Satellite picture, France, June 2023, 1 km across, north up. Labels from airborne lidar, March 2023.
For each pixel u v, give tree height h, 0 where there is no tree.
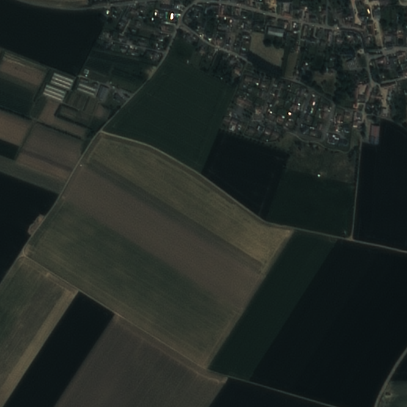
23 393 0
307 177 0
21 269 0
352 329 0
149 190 0
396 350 0
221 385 0
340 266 0
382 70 10
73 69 0
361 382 0
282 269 0
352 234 0
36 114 0
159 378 0
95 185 0
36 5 0
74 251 0
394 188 0
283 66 0
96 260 0
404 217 0
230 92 0
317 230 0
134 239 0
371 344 0
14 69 0
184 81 0
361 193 0
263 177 0
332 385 0
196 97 0
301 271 0
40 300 0
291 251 0
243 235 0
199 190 0
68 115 0
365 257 0
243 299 0
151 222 0
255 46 0
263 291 0
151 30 0
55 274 0
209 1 0
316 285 0
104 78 0
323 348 0
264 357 0
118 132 0
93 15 0
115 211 0
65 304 0
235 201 0
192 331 0
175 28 0
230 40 7
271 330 0
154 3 0
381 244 0
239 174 0
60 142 0
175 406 0
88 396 0
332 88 0
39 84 0
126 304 0
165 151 0
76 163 0
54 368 0
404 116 0
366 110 7
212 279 0
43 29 0
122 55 0
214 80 0
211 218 0
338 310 0
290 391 0
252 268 0
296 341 0
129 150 0
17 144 0
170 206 0
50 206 0
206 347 0
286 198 0
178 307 0
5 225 0
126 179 0
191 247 0
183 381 0
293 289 0
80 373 0
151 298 0
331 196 0
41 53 0
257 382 0
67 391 0
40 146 0
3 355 0
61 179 0
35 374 0
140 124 0
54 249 0
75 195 0
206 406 0
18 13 0
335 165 0
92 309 0
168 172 0
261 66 22
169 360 0
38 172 0
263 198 0
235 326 0
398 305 0
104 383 0
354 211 0
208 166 0
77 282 0
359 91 0
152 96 0
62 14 0
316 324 0
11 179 0
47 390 0
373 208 0
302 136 0
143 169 0
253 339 0
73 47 0
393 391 0
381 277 0
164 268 0
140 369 0
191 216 0
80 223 0
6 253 0
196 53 0
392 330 0
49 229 0
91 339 0
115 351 0
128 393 0
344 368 0
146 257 0
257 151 0
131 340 0
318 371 0
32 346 0
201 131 0
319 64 0
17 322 0
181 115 0
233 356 0
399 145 0
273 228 0
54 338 0
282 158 0
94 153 0
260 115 0
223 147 0
